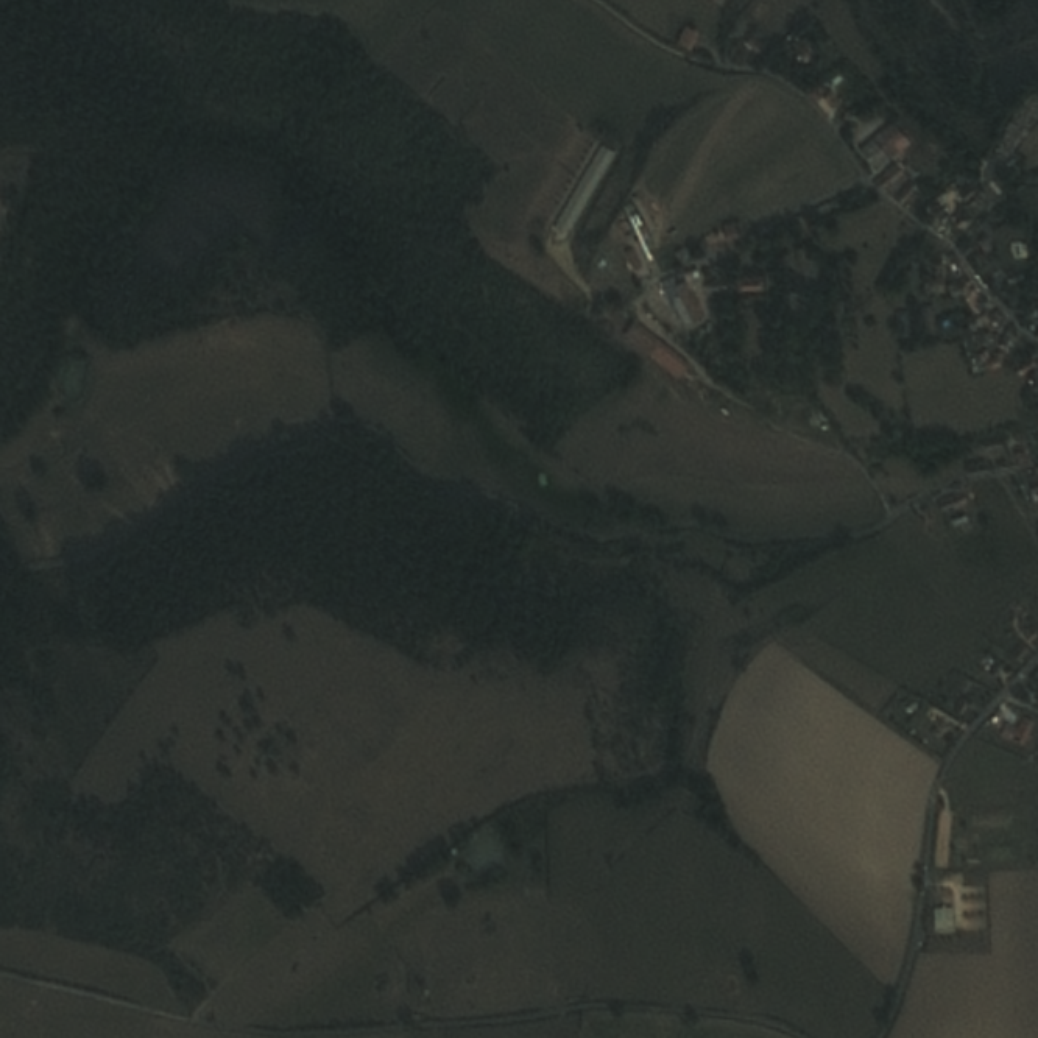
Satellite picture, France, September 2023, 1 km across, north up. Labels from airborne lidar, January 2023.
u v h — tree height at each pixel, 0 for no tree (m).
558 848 0
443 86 0
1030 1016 0
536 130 0
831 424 11
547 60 0
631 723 7
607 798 0
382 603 13
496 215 0
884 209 0
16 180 0
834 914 0
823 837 0
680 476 0
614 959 0
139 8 9
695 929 0
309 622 0
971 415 0
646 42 0
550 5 0
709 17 0
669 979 0
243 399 0
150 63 15
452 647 0
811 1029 0
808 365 18
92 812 12
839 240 0
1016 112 0
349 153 8
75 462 0
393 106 9
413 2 0
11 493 0
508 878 7
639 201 0
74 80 21
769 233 18
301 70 20
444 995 0
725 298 16
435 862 16
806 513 0
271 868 8
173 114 21
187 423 0
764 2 0
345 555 17
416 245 14
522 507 0
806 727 0
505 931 0
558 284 0
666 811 0
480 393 17
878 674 0
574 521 0
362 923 0
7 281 5
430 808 0
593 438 0
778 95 0
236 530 18
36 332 12
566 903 0
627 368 8
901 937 0
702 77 0
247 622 6
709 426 0
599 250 0
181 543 22
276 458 18
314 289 14
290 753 0
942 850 0
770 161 0
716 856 0
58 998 0
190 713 0
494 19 0
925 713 0
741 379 11
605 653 0
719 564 0
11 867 8
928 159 0
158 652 0
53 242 8
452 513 23
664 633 13
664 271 0
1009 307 8
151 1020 0
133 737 0
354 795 0
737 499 0
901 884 0
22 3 23
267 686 0
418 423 0
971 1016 0
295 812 0
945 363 0
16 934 0
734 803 0
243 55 6
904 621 0
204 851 8
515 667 0
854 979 0
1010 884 0
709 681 0
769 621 0
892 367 0
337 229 20
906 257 8
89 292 27
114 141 13
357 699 0
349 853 0
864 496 0
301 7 0
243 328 0
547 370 9
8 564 21
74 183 16
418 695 0
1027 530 0
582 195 0
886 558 0
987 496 0
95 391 0
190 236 0
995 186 0
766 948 0
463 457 0
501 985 0
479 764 0
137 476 0
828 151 0
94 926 6
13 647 11
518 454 0
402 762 0
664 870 0
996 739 0
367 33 0
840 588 0
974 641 0
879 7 12
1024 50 0
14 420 19
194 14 9
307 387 0
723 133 0
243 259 0
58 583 0
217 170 0
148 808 9
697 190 0
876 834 0
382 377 0
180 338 0
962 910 0
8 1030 0
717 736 0
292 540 19
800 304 12
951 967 0
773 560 9
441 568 24
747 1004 0
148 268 13
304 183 24
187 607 14
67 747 0
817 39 8
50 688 14
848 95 0
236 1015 0
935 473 9
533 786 0
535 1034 0
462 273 8
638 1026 0
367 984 0
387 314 16
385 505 24
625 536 0
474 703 0
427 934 0
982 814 0
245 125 13
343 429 15
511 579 17
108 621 11
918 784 0
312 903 7
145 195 29
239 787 0
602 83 0
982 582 0
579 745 0
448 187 8
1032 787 0
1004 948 0
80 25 24
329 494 17
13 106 18
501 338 10
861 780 0
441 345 13
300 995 0
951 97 14
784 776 0
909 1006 0
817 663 0
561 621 8
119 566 16
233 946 0
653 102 0
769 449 0
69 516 0
